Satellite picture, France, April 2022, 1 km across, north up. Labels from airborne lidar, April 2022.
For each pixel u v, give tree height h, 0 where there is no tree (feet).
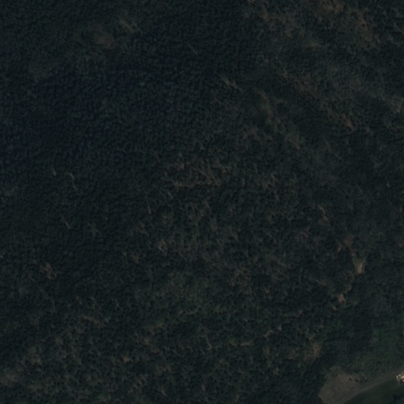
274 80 39
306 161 90
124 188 64
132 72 70
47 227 61
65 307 45
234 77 44
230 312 91
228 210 89
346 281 72
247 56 52
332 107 31
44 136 64
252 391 84
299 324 77
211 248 40
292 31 22
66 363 75
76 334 87
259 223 75
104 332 103
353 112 36
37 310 55
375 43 58
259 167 55
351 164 42
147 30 69
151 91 50
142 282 75
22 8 71
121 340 64
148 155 34
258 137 58
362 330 68
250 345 24
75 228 54
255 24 41
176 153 62
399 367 41
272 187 48
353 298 82
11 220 73
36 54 76
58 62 71
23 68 64
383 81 53
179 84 69
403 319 59
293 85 62
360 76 57
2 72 66
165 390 76
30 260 72
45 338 48
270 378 60
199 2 73
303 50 68
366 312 78
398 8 28
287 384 101
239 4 26
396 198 57
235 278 68
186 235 21
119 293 65
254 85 57
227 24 80
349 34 38
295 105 48
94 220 72
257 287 79
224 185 33
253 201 37
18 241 67
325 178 103
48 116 74
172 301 72
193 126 76
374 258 53
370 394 0
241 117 62
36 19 119
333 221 92
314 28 69
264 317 69
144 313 57
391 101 54
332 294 100
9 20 83
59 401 89
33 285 73
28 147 65
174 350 76
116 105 77
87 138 50
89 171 45
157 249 67
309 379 76
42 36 79
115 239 72
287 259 21
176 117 58
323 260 73
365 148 52
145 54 60
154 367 77
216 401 77
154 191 61
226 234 102
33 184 72
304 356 24
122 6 65
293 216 71
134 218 69
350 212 106
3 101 81
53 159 70
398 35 74
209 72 53
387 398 0
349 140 25
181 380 65
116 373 73
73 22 81
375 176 41
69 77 51
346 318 92
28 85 71
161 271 74
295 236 94
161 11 28
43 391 51
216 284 62
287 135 43
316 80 82
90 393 26
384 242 75
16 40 69
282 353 81
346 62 61
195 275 52
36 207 61
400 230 73
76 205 73
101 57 70
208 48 83
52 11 97
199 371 57
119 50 20
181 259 76
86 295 57
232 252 100
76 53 79
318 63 52
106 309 77
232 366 56
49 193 18
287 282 58
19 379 34
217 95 20
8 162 67
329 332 75
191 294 80
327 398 0
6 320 31
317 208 62
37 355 31
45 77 58
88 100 56
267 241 87
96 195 66
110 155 49
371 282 71
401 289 71
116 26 91
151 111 70
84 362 67
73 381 59
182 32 43
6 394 56
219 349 26
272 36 50
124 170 66
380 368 32
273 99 73
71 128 82
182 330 76
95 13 80
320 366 70
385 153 74
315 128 61
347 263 69
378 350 78
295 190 78
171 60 48
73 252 45
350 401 0
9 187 47
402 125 78
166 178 25
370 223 89
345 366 54
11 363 67
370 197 64
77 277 48
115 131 70
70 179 41
